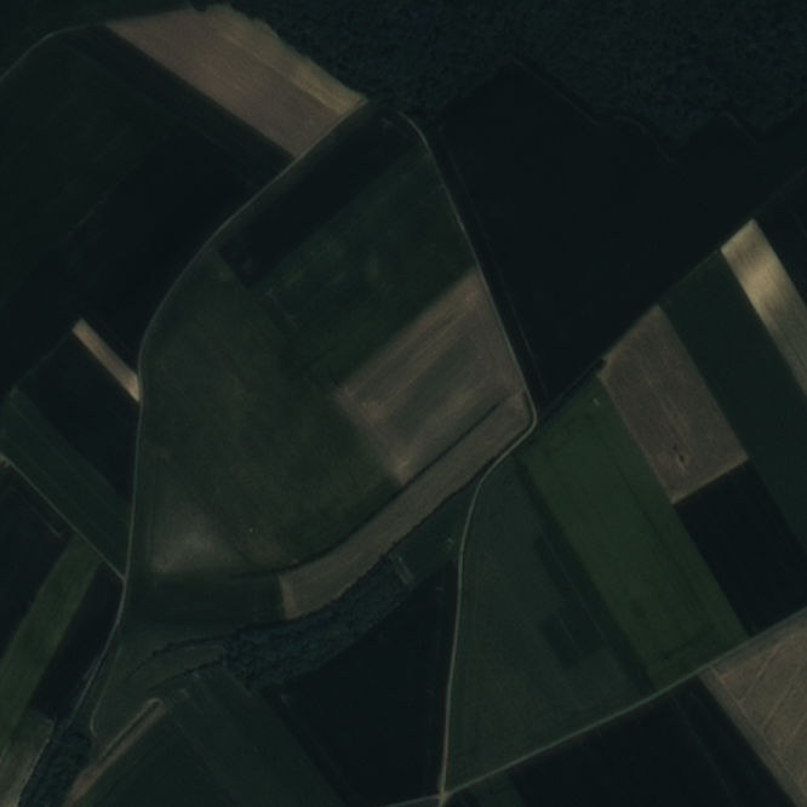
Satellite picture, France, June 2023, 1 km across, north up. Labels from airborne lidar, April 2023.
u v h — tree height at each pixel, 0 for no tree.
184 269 0
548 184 0
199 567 0
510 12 27
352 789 0
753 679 0
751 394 0
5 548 0
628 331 0
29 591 0
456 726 0
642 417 0
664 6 24
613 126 0
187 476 0
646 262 0
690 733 0
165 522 0
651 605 0
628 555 0
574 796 0
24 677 0
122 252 0
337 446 0
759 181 0
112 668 0
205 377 0
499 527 0
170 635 0
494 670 0
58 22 0
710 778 0
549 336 0
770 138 0
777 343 0
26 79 0
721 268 0
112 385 0
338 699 0
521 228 0
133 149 0
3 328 0
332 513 0
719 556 0
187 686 0
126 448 0
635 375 0
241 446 0
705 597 0
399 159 0
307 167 0
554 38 25
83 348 0
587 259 0
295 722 0
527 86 0
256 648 17
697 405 0
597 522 0
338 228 0
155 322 0
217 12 0
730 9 24
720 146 0
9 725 0
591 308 0
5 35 0
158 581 0
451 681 0
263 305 0
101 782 0
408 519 0
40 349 0
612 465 0
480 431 0
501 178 0
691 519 0
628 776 0
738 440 0
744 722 0
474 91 0
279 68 0
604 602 0
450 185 0
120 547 0
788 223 0
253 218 0
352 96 0
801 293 0
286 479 0
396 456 0
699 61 24
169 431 0
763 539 0
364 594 6
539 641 0
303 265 0
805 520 0
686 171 0
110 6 0
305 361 0
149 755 0
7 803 0
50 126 0
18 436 0
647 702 0
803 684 0
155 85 0
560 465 0
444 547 0
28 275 0
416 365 0
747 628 0
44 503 0
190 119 0
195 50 0
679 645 0
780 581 0
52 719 0
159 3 0
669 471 0
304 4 29
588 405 0
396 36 29
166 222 0
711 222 0
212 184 0
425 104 25
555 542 0
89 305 0
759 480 0
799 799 0
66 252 0
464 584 0
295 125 0
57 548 0
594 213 0
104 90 0
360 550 0
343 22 29
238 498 0
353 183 0
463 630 0
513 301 0
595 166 0
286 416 0
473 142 0
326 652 11
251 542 0
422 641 0
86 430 0
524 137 0
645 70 23
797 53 25
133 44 0
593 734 0
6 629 0
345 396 0
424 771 0
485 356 0
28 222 0
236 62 0
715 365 0
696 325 0
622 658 0
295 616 0
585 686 0
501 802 0
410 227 0
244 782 0
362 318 0
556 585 0
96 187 0
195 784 0
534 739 0
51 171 0
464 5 28
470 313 0
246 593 0
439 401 0
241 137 0
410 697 0
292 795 0
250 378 0
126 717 0
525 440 0
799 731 0
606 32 22
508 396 0
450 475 0
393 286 0
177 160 0
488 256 0
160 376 0
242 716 0
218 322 0
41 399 0
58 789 12
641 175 0
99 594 0
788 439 0
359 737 0
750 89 24
